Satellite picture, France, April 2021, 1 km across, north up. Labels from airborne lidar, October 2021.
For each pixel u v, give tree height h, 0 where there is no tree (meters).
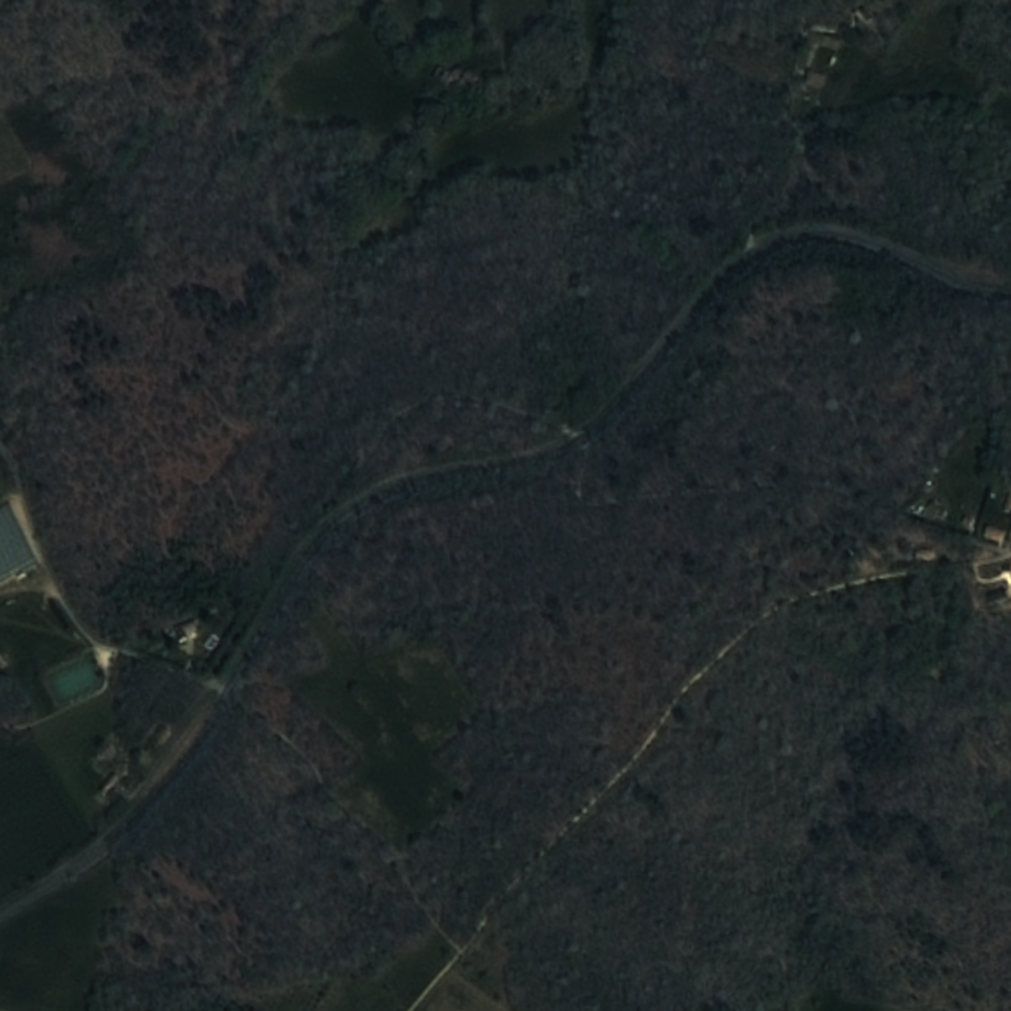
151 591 11
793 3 19
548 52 23
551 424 18
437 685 0
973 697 17
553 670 6
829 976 21
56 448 9
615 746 7
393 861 13
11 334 10
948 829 17
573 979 14
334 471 18
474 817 18
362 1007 0
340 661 0
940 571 15
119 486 13
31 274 7
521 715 10
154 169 14
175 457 9
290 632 15
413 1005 0
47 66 16
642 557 7
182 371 7
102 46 17
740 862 12
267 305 15
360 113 0
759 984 16
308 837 17
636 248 21
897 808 18
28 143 0
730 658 10
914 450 19
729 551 12
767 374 17
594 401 19
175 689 17
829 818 11
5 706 14
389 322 11
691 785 15
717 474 16
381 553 14
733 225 15
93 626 8
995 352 20
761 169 17
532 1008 9
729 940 12
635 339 22
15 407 16
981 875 18
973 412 14
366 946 11
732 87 15
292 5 7
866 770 28
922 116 23
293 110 0
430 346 7
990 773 16
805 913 16
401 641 17
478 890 7
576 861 9
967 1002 6
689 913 17
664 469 16
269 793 19
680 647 10
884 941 12
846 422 13
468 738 19
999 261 19
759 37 14
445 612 12
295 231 5
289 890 14
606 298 19
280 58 22
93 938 0
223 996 19
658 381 18
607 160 17
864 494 9
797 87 13
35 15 14
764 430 14
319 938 12
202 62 26
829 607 12
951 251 19
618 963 15
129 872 13
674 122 13
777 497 14
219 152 14
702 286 14
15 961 0
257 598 16
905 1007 13
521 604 12
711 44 7
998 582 0
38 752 0
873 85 0
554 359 18
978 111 16
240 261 15
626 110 16
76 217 6
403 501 15
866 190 17
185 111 14
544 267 21
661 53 16
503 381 17
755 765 16
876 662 18
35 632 0
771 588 15
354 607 14
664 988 16
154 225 10
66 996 0
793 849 18
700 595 11
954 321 17
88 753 0
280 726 7
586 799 14
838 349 11
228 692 0
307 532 19
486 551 12
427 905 14
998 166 22
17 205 0
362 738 0
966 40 16
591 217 16
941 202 22
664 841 12
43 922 0
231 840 16
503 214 16
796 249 13
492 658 10
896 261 16
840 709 14
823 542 13
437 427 9
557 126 0
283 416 9
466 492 19
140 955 19
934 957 7
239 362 8
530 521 12
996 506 0
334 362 11
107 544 9
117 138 13
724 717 18
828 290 18
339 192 14
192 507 8
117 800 10
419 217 14
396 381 13
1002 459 15
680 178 14
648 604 11
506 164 0
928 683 17
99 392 7
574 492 14
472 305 11
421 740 0
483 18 17
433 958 0
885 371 11
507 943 10
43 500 9
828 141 28
